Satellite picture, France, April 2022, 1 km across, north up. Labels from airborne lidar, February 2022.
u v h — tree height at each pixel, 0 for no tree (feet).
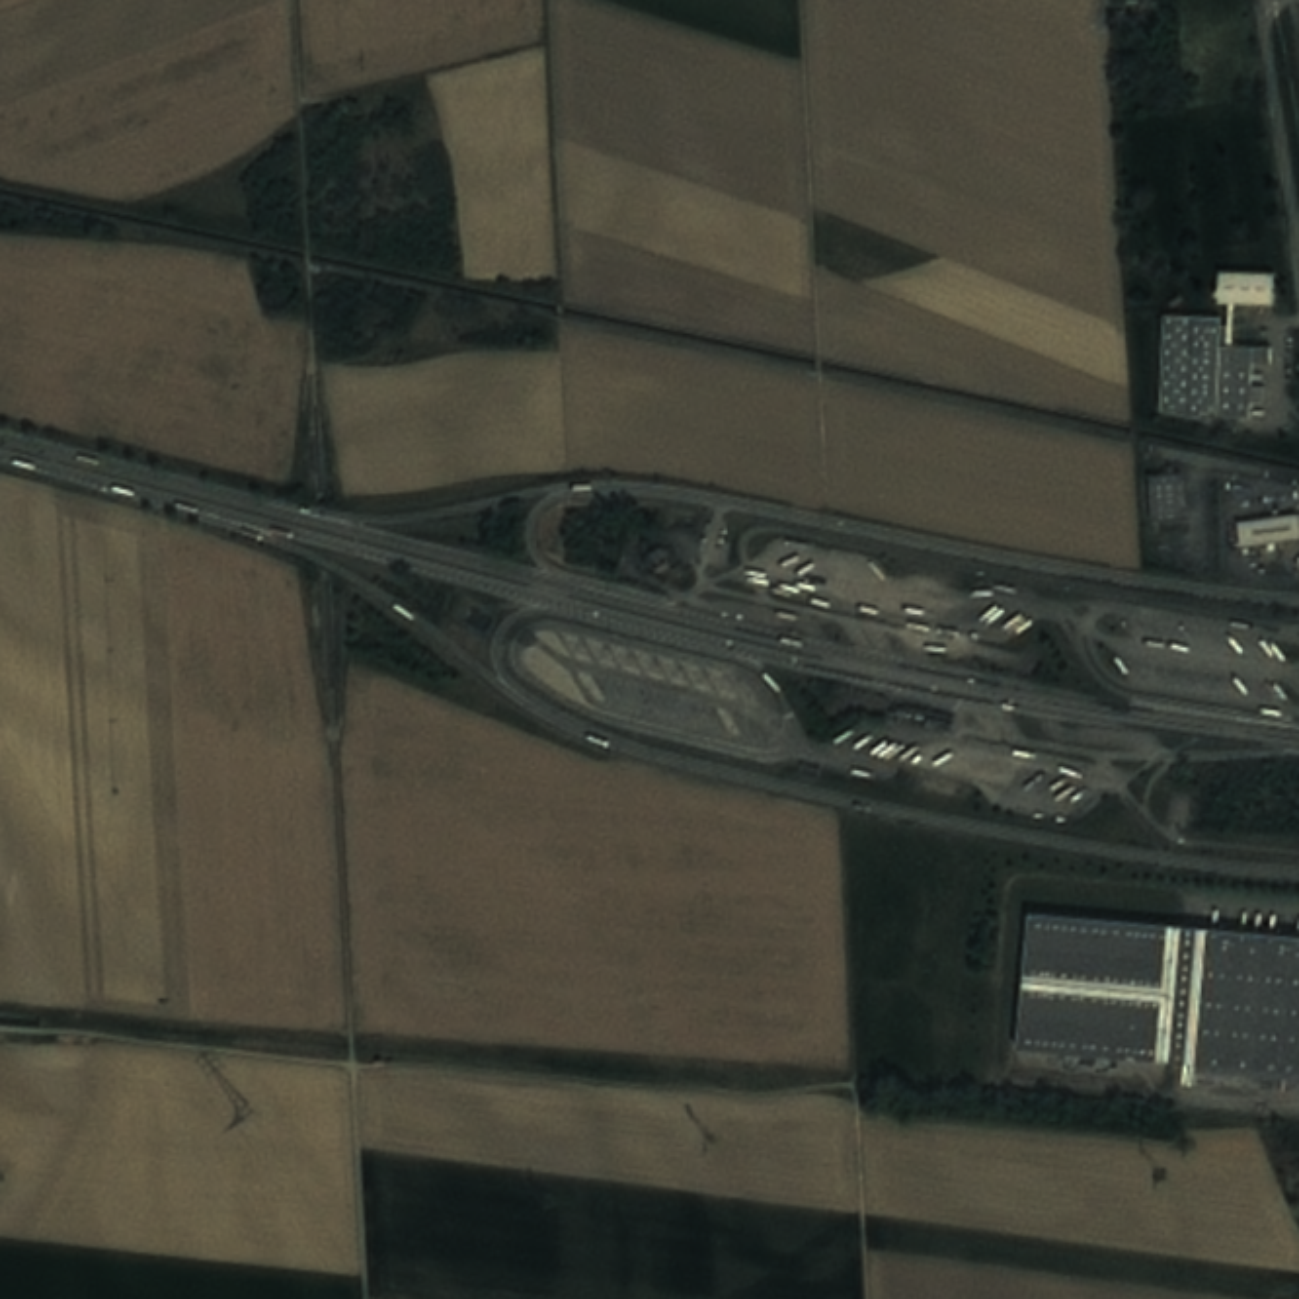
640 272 0
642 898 0
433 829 0
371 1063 0
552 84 0
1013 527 0
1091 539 0
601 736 0
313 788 0
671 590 0
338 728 0
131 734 0
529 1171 0
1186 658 0
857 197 0
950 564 0
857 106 0
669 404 0
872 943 0
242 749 0
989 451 0
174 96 0
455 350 0
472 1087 0
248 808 0
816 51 0
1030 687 0
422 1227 0
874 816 0
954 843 0
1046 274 0
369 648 18
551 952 0
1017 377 0
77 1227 0
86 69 0
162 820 0
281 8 0
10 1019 0
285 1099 0
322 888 0
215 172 0
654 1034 0
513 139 0
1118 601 0
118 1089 0
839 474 0
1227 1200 0
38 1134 0
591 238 0
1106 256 0
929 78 0
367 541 0
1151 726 0
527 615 0
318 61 0
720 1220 0
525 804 0
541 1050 0
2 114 0
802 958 0
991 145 0
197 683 0
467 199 0
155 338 0
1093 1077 0
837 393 0
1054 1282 0
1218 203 0
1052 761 0
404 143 0
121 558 0
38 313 0
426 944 0
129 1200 0
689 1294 0
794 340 0
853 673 0
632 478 0
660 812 0
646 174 0
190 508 0
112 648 0
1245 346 0
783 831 0
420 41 0
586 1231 0
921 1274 0
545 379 0
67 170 0
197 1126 0
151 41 0
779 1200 0
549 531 0
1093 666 0
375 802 0
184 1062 0
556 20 0
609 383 0
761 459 0
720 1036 0
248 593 0
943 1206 0
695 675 0
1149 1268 0
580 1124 0
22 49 0
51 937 0
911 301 0
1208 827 33
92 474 0
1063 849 0
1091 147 0
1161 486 0
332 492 0
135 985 0
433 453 0
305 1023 0
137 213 0
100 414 0
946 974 0
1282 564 0
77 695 0
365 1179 0
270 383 0
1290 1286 0
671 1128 0
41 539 0
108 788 0
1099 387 0
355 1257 0
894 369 0
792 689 0
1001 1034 0
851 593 0
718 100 0
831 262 0
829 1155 0
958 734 0
